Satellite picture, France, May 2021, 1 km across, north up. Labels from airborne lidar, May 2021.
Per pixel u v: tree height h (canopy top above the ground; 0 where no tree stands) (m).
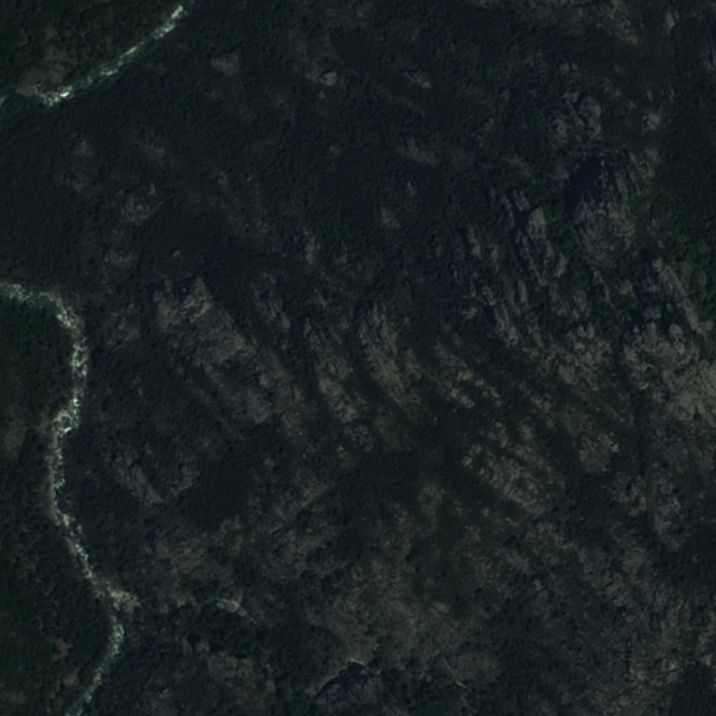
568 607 12
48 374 13
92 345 19
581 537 10
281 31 9
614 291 6
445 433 12
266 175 12
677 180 15
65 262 15
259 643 23
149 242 11
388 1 17
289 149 14
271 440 13
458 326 9
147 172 14
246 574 16
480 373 7
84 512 10
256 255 12
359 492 14
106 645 24
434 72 14
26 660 12
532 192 8
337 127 7
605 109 9
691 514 14
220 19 11
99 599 6
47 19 15
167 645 6
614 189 6
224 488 13
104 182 14
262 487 9
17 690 7
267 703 11
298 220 5
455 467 12
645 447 9
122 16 10
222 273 15
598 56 9
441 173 12
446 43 9
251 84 12
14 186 19
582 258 10
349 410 0
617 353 9
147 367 11
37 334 9
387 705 6
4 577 13
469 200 13
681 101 13
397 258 13
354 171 12
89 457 9
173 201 10
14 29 19
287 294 12
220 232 8
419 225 11
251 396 0
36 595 8
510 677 13
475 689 18
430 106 11
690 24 12
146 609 13
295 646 15
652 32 10
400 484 11
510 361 11
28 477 18
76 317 0
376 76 12
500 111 13
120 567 7
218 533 9
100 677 0
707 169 14
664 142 11
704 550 11
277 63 12
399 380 0
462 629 8
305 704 9
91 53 11
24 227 7
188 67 14
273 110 10
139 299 6
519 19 15
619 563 7
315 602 8
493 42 15
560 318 9
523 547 19
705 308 10
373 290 13
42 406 12
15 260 13
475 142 10
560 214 12
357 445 11
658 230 6
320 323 11
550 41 13
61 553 6
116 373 13
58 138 16
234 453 14
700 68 14
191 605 18
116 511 12
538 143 12
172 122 12
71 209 15
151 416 13
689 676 14
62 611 15
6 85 21
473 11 17
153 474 6
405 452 8
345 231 9
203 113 14
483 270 10
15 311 13
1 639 16
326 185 12
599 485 11
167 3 9
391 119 17
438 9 16
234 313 14
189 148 9
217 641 11
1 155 16
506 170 10
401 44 9
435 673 18
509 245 6
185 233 11
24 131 23
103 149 12
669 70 11
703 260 11
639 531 10
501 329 6
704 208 13
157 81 13
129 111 11
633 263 8
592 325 7
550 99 11
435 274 12
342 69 11
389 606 0
